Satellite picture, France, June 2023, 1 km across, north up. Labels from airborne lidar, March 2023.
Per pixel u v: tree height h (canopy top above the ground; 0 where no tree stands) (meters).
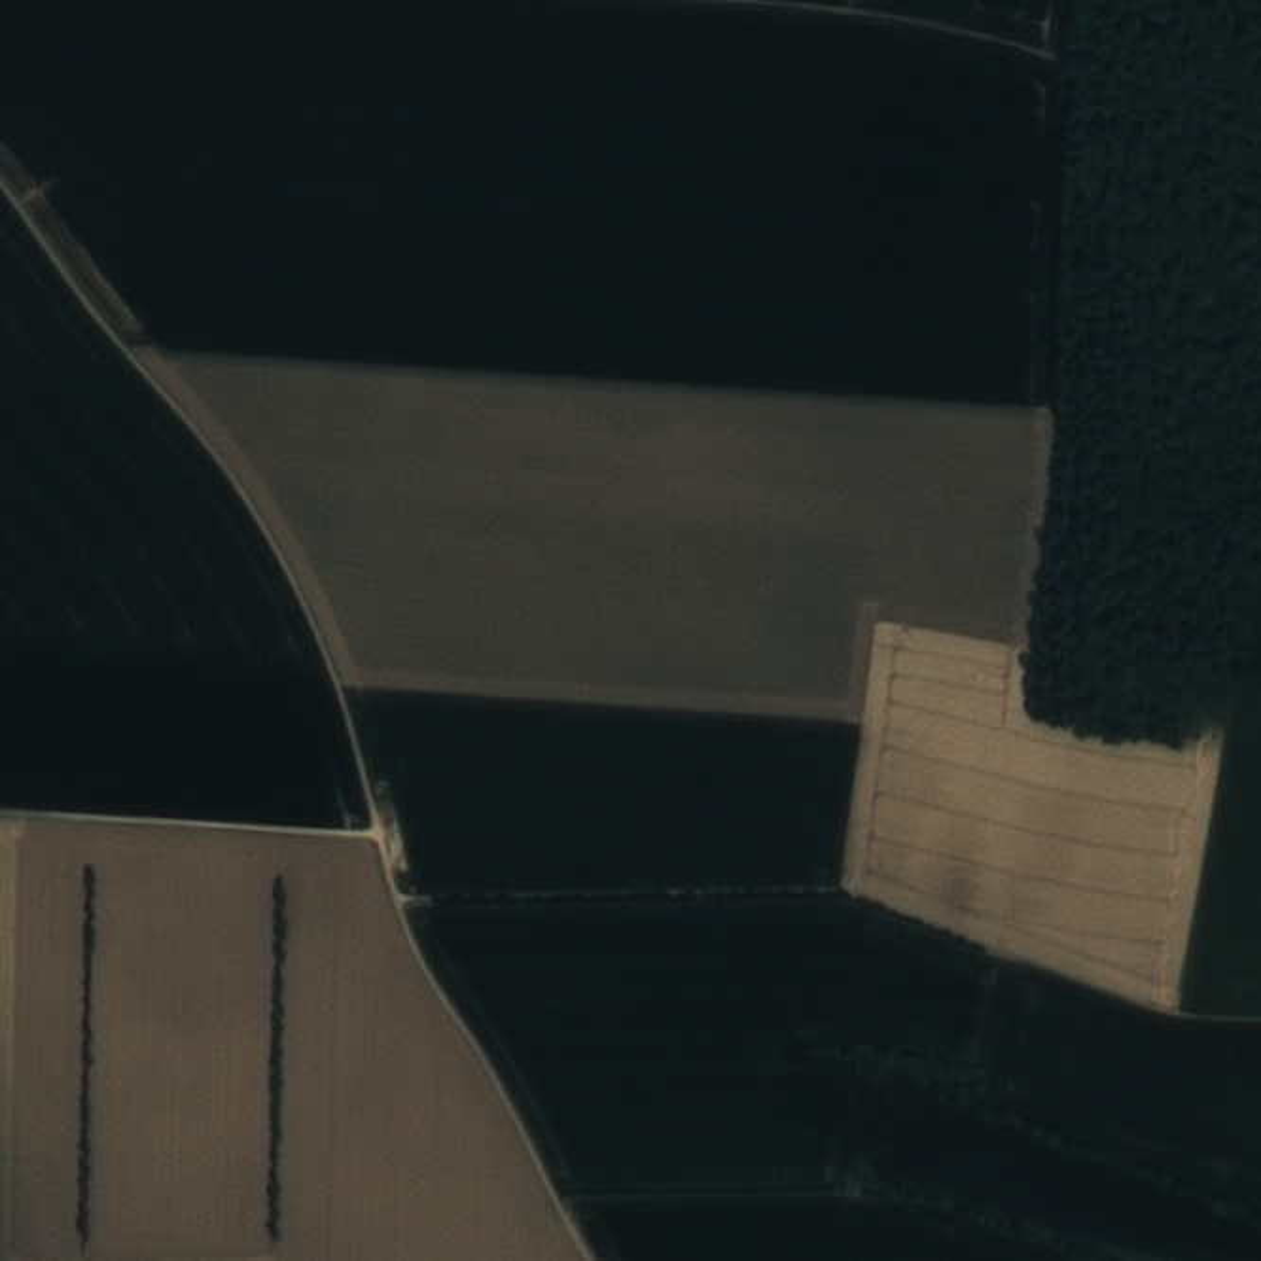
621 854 0
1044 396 0
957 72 0
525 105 0
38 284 0
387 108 0
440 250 0
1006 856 0
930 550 0
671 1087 0
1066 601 17
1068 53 19
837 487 0
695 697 0
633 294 0
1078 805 0
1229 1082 0
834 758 0
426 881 0
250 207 0
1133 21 21
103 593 0
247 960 0
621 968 0
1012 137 0
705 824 0
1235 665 30
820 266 0
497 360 0
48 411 0
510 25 0
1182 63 27
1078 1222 0
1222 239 30
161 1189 0
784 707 0
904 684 0
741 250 0
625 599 0
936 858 0
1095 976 0
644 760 0
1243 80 21
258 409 0
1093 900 0
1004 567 0
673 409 0
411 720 0
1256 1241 0
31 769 0
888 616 0
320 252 0
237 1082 0
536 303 0
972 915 0
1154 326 29
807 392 0
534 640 0
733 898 9
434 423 0
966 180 0
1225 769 0
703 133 0
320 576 0
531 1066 0
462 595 0
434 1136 0
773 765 0
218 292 0
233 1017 0
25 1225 0
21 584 0
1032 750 0
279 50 0
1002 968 0
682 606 0
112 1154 0
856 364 0
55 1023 0
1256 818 0
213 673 0
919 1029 0
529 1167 0
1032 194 0
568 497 0
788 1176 0
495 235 0
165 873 0
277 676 0
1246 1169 0
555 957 0
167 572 0
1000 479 0
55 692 0
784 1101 0
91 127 0
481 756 0
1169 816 0
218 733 0
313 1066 0
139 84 0
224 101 0
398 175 0
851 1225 0
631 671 0
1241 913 0
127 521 0
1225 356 27
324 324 0
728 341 0
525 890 0
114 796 0
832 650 0
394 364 0
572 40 0
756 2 0
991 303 0
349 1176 0
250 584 0
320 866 0
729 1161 0
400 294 0
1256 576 20
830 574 0
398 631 0
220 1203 0
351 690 0
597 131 0
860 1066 0
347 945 0
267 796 0
